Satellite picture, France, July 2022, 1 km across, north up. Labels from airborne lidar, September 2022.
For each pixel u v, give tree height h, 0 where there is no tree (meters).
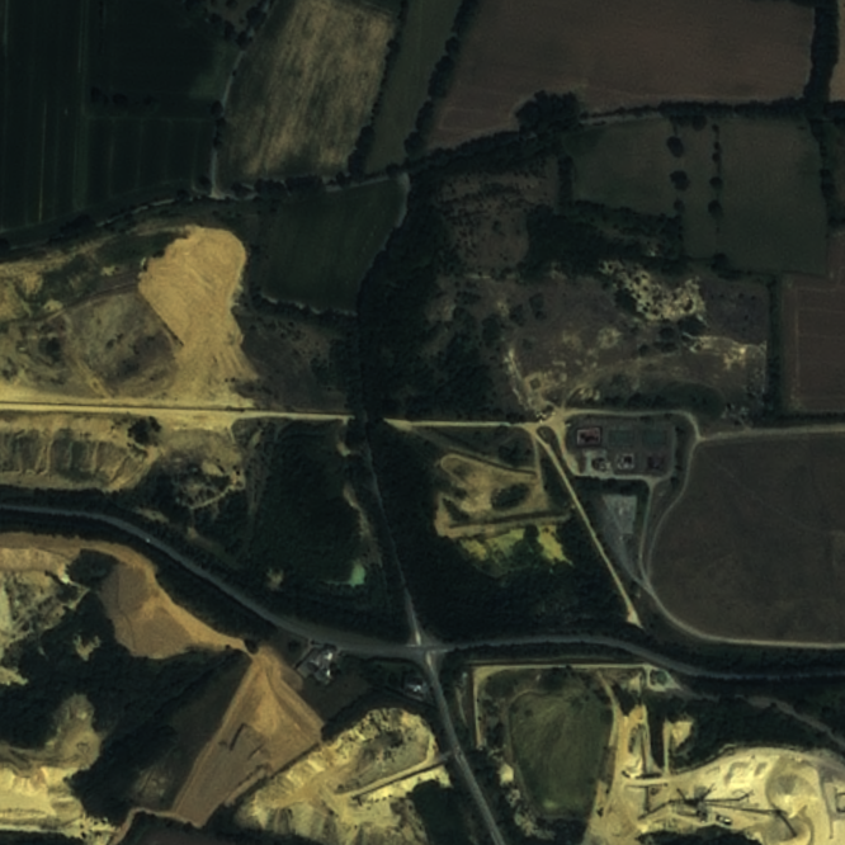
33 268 0
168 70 0
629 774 0
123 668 9
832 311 0
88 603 0
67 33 0
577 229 9
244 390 0
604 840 0
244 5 0
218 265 0
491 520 0
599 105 0
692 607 0
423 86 0
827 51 23
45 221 0
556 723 0
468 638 10
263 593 10
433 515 8
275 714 0
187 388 0
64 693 10
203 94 0
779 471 0
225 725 0
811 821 0
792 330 0
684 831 0
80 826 0
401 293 12
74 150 0
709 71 0
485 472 0
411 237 12
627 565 0
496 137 9
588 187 0
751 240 0
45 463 0
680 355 0
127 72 0
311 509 10
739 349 0
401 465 13
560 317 0
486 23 0
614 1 0
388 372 10
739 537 0
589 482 9
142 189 0
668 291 0
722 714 6
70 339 0
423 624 7
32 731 11
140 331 0
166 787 0
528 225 7
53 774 0
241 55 0
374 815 0
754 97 0
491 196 6
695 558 0
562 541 7
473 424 0
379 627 11
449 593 11
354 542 11
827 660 7
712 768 0
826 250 0
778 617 0
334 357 7
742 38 0
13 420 0
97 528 15
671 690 0
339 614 11
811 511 0
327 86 0
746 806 0
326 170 0
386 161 0
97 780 12
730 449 0
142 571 0
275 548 7
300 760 0
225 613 12
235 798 0
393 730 0
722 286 0
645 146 0
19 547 0
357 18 0
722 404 0
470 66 0
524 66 0
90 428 0
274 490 9
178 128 0
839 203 0
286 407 0
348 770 0
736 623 0
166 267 0
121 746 14
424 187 11
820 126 13
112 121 0
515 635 10
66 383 0
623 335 0
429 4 0
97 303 0
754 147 0
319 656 0
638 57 0
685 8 0
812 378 0
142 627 0
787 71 0
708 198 0
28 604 0
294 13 0
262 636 6
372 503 7
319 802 0
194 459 0
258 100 0
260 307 15
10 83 0
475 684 0
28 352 0
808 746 9
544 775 0
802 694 9
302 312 15
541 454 0
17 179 0
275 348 0
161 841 0
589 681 5
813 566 0
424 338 11
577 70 0
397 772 0
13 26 0
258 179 0
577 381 0
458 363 9
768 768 0
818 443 0
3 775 0
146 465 0
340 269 0
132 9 0
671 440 0
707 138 0
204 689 10
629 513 0
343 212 0
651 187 0
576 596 6
